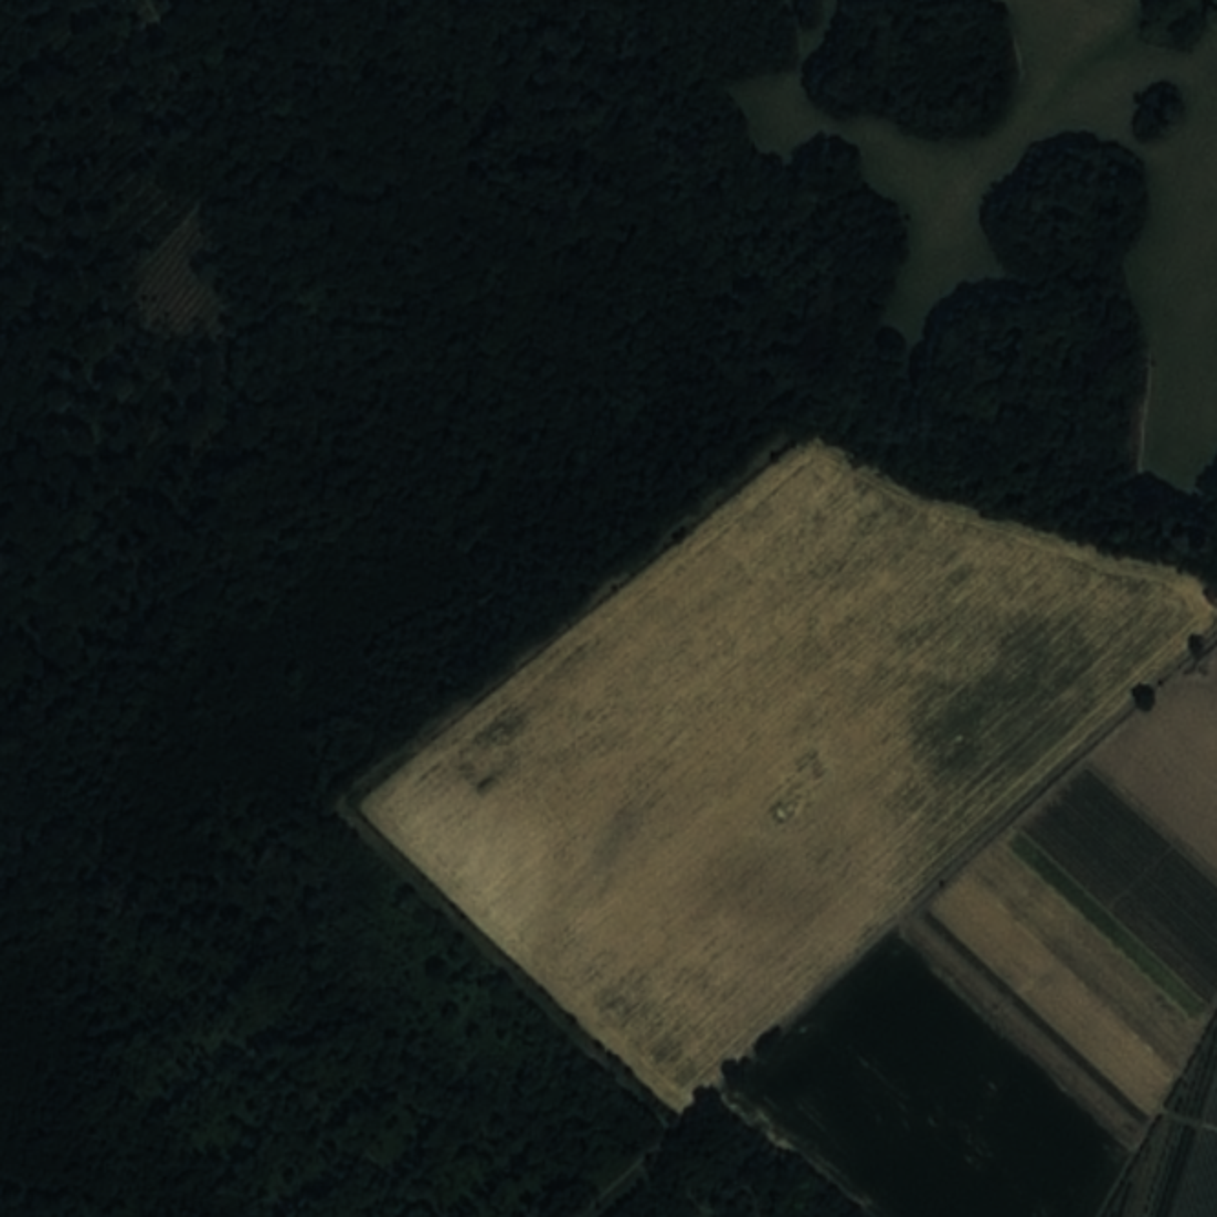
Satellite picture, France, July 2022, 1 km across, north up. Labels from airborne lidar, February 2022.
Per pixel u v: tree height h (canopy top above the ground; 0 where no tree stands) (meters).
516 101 31
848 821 0
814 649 0
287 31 29
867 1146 0
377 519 21
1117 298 20
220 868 6
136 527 6
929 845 0
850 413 25
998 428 31
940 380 29
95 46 8
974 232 0
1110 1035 0
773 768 0
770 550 0
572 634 0
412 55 28
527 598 20
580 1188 14
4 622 26
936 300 0
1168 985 0
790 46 23
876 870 0
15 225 27
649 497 21
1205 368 0
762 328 36
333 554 19
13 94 24
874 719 0
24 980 8
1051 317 30
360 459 16
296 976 19
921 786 0
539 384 18
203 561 22
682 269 22
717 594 0
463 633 12
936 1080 0
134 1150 12
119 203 16
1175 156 0
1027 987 0
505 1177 16
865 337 23
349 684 11
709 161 30
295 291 13
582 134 33
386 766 0
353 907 6
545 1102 17
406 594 15
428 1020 14
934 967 0
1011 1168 0
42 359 26
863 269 30
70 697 22
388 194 29
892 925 0
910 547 0
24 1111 9
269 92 20
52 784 20
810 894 0
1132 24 0
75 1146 9
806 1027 0
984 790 0
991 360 31
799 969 0
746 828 0
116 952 22
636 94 32
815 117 0
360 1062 20
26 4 31
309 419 19
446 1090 13
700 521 0
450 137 29
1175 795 10
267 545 13
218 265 15
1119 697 0
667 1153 9
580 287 18
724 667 0
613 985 0
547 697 0
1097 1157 0
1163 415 0
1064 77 0
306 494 21
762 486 0
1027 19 0
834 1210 15
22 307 23
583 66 26
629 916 0
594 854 0
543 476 18
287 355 22
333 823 11
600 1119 19
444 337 19
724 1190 7
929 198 0
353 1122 23
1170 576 0
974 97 29
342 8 31
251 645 10
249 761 8
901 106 22
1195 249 0
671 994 0
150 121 20
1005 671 0
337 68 26
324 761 19
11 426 28
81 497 27
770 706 0
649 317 24
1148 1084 0
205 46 22
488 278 26
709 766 0
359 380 21
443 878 0
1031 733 0
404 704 11
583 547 12
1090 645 0
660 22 29
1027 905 0
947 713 0
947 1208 0
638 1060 0
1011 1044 0
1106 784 0
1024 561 0
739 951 0
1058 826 0
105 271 23
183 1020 23
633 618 0
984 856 0
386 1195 7
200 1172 14
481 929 0
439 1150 23
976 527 0
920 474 23
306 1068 23
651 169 31
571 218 30
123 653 17
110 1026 8
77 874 21
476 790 0
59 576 30
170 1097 22
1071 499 22
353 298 10
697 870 0
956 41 29
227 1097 23
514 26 36
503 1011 18
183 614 22
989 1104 0
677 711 0
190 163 7
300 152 21
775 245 31
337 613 12
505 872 0
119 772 9
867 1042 0
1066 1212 0
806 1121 0
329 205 28
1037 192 30
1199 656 11
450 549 12
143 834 12
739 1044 0
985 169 0
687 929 0
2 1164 13
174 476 30
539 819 0
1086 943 0
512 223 29
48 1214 20
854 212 25
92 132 6
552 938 0
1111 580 0
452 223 28
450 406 19
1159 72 0
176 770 8
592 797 0
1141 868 0
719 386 21
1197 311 0
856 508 0
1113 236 30
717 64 22
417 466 21
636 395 21
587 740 0
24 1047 9
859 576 0
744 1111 0
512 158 31
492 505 15
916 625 0
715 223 28
